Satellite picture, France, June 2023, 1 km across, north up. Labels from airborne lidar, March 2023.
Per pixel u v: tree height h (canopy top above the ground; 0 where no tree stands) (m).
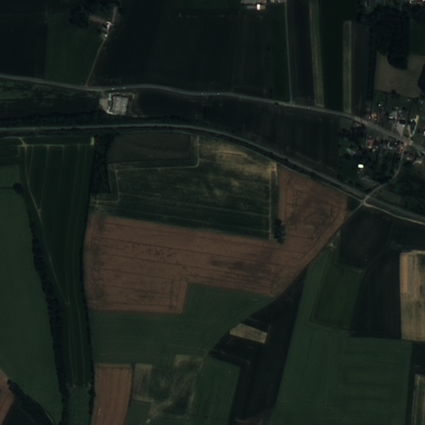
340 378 0
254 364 0
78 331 0
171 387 0
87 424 0
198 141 0
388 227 0
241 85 0
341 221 0
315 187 0
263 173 0
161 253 0
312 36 0
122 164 0
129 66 0
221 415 0
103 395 0
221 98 0
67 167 0
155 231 0
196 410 0
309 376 0
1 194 0
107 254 0
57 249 0
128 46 0
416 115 0
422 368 0
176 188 0
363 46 0
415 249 0
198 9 0
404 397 0
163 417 0
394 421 0
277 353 0
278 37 0
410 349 0
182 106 0
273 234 0
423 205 0
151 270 0
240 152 0
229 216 0
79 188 0
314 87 0
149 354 0
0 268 0
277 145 0
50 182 0
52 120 7
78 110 0
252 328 0
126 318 0
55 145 0
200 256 0
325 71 0
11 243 0
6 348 0
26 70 0
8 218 0
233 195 0
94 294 0
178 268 0
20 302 0
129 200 0
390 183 0
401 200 0
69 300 0
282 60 0
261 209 0
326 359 0
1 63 0
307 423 0
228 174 0
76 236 0
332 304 0
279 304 0
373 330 0
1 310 0
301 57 0
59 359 18
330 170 0
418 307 0
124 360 0
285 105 0
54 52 0
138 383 0
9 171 0
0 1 0
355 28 0
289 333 0
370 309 0
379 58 0
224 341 0
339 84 0
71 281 0
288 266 0
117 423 0
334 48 0
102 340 0
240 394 0
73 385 0
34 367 0
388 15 22
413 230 0
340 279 0
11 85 0
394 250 0
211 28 0
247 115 0
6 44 0
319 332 0
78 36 0
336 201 0
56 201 0
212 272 0
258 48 0
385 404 0
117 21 0
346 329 0
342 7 0
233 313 0
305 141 0
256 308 0
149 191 0
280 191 0
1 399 0
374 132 0
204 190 0
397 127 0
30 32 0
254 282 0
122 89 0
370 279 0
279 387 0
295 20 0
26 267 0
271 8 0
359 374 0
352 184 14
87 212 0
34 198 0
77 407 0
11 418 0
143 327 0
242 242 0
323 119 0
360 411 0
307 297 0
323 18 0
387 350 0
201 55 0
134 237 0
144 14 0
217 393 0
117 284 0
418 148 0
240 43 0
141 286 0
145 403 0
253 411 0
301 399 0
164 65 0
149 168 0
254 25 0
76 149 0
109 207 0
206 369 0
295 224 0
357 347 0
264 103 0
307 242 0
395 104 0
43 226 0
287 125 0
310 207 0
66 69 0
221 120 0
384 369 0
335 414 0
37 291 0
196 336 0
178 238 0
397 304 0
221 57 0
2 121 6
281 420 0
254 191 0
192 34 0
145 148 0
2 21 0
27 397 18
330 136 0
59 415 0
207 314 0
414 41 0
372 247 0
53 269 0
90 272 0
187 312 0
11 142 0
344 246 0
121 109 0
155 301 0
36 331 0
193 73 0
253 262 0
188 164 0
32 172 0
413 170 0
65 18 0
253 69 0
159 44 0
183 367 0
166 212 0
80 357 0
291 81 0
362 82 0
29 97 0
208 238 0
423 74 0
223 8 0
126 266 0
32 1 0
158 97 0
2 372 0
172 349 0
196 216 0
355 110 0
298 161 0
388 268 0
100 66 0
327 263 0
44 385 0
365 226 0
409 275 0
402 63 30
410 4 14
